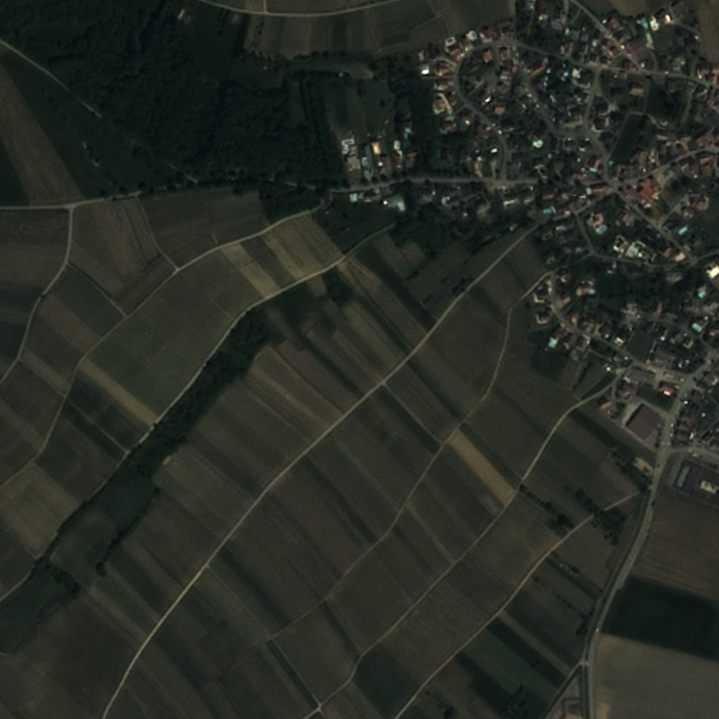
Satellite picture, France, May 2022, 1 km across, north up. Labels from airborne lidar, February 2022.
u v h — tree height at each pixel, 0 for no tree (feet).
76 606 0
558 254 33
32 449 0
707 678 0
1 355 0
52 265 0
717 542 0
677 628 0
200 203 0
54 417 0
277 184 32
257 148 60
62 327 0
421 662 0
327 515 0
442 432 0
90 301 0
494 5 0
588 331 0
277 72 46
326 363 0
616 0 0
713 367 0
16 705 0
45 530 0
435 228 49
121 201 0
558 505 0
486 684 0
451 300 0
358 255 0
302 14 0
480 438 0
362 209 18
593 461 0
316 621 0
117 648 0
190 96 71
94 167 0
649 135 0
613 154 0
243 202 0
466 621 0
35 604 0
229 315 0
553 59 43
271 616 0
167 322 0
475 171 0
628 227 0
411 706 0
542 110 0
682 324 0
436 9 0
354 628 0
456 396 0
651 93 0
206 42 0
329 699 0
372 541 0
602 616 0
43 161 0
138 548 0
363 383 0
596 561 0
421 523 0
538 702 0
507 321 0
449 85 0
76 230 0
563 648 0
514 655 0
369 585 0
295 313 0
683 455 0
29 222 0
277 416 0
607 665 0
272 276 0
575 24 0
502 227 19
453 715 32
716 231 0
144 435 0
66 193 0
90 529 0
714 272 0
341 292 18
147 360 0
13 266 0
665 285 40
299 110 0
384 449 0
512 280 0
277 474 0
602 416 0
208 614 0
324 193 50
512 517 0
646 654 0
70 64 55
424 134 52
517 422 0
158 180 0
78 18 52
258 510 0
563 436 0
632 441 0
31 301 0
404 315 0
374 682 0
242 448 0
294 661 0
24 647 0
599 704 0
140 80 68
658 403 0
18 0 49
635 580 0
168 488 0
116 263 0
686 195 0
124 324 0
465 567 0
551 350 0
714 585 0
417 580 0
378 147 0
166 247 0
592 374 0
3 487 0
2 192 0
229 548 0
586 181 0
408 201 34
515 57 0
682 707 0
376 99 0
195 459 0
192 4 0
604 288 19
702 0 0
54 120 0
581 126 0
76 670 0
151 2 0
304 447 0
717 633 0
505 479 0
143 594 0
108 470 0
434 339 0
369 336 0
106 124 51
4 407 0
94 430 0
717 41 0
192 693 0
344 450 0
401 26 0
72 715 0
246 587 0
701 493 0
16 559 0
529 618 0
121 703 0
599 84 0
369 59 0
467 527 0
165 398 0
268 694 0
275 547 0
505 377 0
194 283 0
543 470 0
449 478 0
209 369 28
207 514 0
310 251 0
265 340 43
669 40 0
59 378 0
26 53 0
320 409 0
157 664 0
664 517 0
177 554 0
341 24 0
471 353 0
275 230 0
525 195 0
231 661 0
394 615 0
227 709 0
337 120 0
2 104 0
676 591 0
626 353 0
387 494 0
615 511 0
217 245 0
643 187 0
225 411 0
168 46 78
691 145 0
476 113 0
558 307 0
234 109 76
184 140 70
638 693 0
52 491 0
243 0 0
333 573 0
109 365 0
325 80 36
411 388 0
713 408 0
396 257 0
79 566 0
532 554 0
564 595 0
